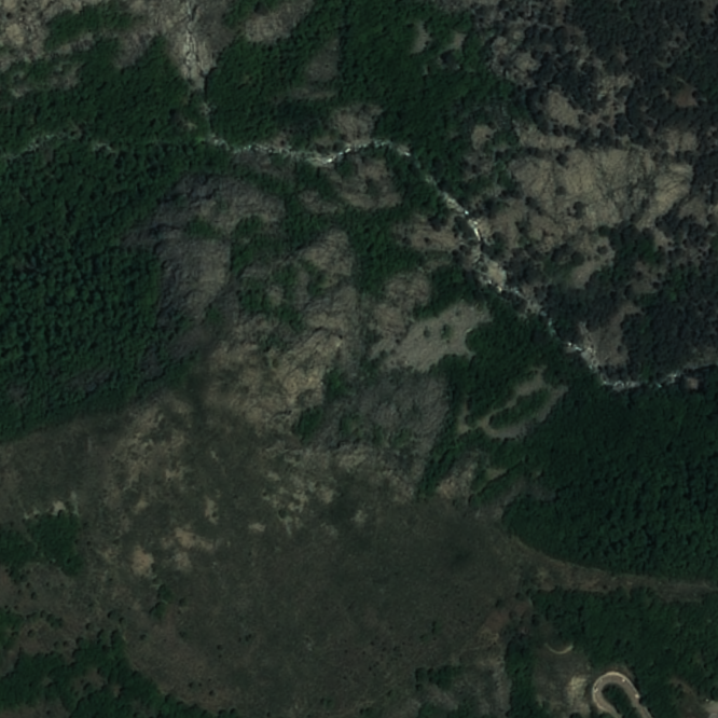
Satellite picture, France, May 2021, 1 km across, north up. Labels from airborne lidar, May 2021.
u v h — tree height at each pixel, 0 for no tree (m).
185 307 0
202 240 0
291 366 0
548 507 18
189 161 20
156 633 0
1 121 16
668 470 30
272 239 8
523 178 0
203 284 0
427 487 10
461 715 11
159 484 0
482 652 0
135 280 24
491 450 8
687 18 21
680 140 0
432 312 10
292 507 0
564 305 22
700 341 26
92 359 18
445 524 0
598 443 28
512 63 9
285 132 12
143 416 0
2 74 9
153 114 20
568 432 22
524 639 17
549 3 14
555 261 21
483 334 13
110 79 20
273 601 0
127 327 9
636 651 17
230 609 0
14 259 26
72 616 0
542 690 0
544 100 22
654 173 0
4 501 0
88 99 23
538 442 16
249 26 0
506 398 7
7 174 19
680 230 24
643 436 27
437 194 13
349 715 0
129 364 10
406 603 0
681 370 14
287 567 0
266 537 0
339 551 0
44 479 0
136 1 0
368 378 7
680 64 20
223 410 0
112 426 0
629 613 17
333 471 0
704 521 31
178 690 0
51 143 10
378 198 0
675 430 23
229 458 0
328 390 14
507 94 8
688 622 7
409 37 18
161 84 13
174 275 0
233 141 13
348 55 23
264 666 0
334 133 12
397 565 0
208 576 0
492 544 0
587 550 24
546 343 24
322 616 0
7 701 11
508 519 12
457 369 20
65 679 14
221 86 15
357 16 29
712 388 27
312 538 0
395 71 18
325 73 0
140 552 0
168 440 0
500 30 15
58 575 0
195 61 0
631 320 19
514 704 13
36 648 0
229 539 0
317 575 0
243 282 8
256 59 15
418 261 12
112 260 20
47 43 10
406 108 19
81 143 17
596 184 0
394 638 0
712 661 9
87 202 21
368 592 0
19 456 0
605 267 8
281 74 8
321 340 0
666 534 28
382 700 0
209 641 0
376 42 30
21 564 12
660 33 25
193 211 0
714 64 26
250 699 0
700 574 10
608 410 28
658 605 8
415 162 21
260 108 11
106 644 7
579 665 0
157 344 6
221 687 0
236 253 12
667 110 20
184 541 0
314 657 0
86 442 0
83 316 29
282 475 0
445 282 22
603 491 23
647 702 14
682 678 7
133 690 20
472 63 19
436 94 21
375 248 24
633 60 18
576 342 17
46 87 9
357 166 7
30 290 27
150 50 8
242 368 0
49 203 24
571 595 6
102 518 0
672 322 27
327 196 10
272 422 0
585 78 13
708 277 21
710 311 22
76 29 14
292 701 0
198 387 0
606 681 0
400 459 8
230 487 0
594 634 19
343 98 10
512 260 12
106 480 0
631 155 0
